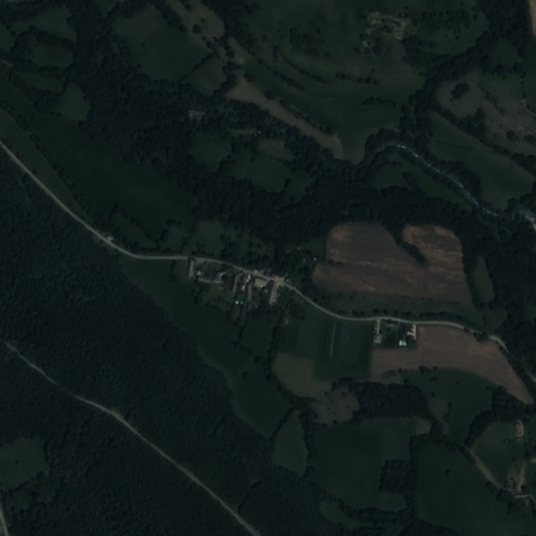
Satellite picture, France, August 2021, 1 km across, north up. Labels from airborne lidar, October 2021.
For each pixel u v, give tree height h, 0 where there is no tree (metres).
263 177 0
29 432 17
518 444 0
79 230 19
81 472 18
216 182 22
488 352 0
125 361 22
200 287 7
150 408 16
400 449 0
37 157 0
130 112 20
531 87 0
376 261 0
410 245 13
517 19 8
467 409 0
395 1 0
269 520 25
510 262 34
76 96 0
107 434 27
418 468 19
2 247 24
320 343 0
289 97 0
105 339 24
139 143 25
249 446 23
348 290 0
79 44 11
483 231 20
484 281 0
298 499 20
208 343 0
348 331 0
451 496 0
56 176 0
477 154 0
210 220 14
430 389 0
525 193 0
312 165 16
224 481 21
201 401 16
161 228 0
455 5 0
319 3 0
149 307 22
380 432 0
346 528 14
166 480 22
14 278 20
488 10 24
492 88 0
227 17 18
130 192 0
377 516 29
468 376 0
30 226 19
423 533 33
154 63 0
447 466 0
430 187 0
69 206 9
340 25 0
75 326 21
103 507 18
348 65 0
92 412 17
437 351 0
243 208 21
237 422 18
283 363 0
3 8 25
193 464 22
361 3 0
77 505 24
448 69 20
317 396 0
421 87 0
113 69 24
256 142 10
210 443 17
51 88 0
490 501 0
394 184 0
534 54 0
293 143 11
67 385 25
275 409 0
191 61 0
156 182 0
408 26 0
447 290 0
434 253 0
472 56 22
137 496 26
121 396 16
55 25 0
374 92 0
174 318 0
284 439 0
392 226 24
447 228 21
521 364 17
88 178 0
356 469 0
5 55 13
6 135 0
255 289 7
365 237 0
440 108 15
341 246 0
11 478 0
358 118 0
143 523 18
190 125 17
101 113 23
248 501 23
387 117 0
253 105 11
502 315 0
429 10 0
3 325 22
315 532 22
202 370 20
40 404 19
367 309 0
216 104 15
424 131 25
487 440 0
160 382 19
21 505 0
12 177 17
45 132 0
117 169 0
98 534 24
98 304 20
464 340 0
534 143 8
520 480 0
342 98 0
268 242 17
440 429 15
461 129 15
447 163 17
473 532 0
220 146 0
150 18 0
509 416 22
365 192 31
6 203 20
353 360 0
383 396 20
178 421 17
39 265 15
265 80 0
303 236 21
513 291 30
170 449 23
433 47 18
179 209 0
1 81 0
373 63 0
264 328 0
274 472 19
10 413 19
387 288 0
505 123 0
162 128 20
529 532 0
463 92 15
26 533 8
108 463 27
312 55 9
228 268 7
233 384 0
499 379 0
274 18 0
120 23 0
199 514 27
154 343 17
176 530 26
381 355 0
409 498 13
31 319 20
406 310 0
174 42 0
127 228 0
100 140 18
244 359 0
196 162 18
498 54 0
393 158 0
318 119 0
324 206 31
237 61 0
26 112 0
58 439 17
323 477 0
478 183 18
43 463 0
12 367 21
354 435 0
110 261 22
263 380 0
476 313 0
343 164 10
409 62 14
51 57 0
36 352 18
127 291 20
